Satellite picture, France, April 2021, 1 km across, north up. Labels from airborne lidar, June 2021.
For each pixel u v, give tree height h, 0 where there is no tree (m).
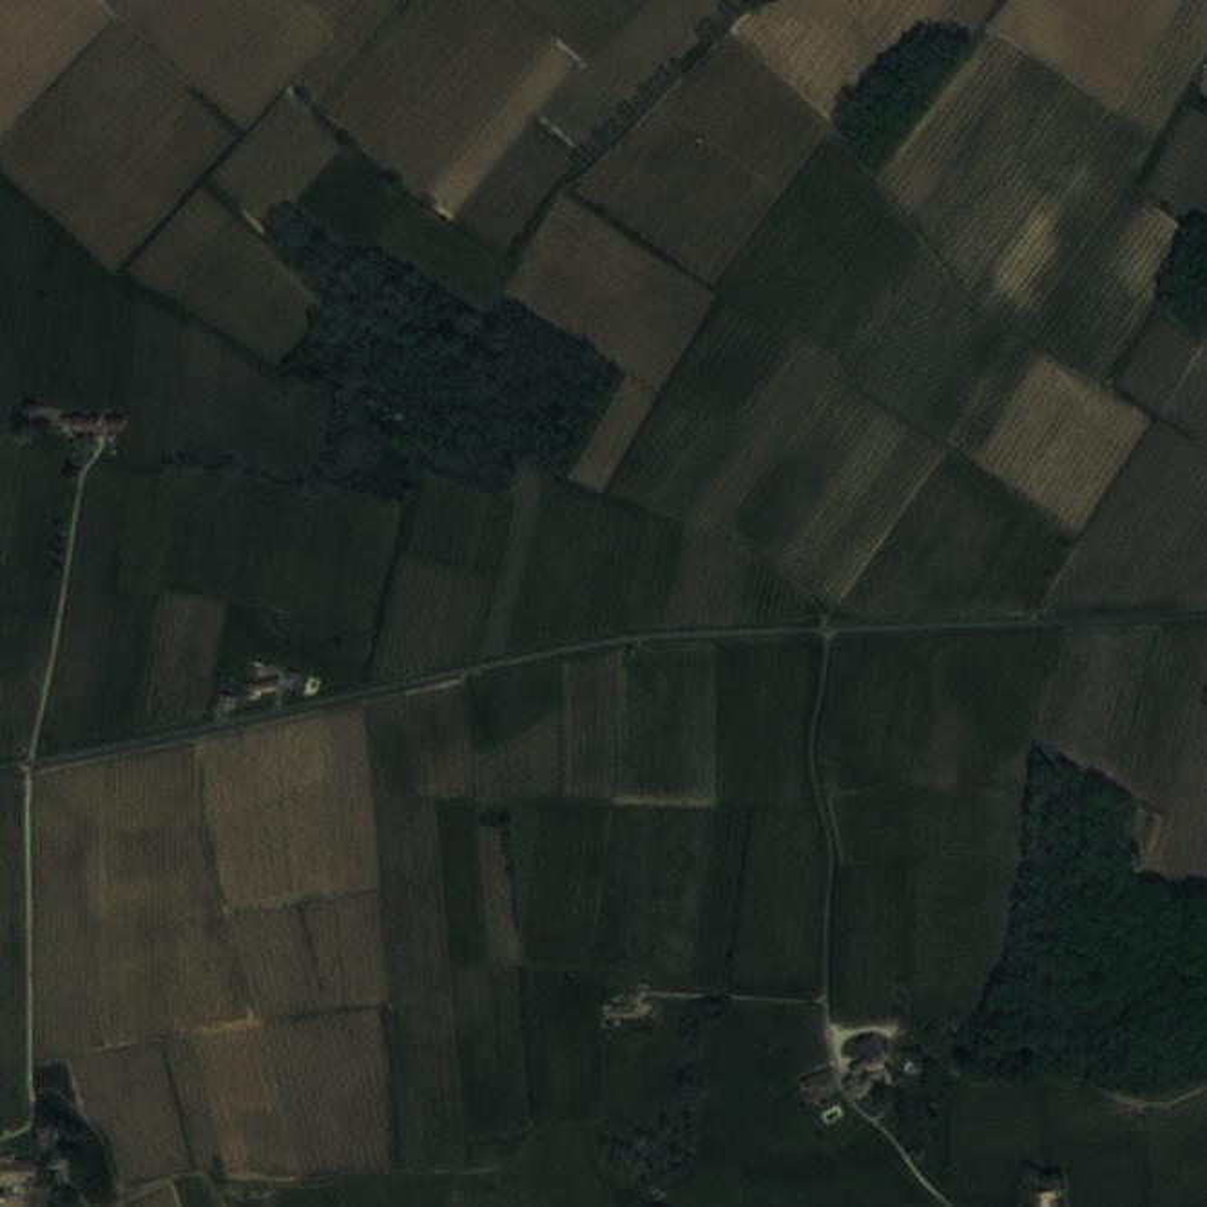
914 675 0
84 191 0
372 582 0
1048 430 0
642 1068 0
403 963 0
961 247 0
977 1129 0
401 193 11
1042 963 22
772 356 0
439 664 0
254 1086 0
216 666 0
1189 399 0
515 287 0
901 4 0
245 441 0
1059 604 0
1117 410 0
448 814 0
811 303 0
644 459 0
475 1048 0
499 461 25
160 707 0
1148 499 0
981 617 0
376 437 11
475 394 25
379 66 0
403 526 0
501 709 0
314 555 0
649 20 0
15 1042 0
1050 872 13
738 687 0
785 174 0
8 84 0
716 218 0
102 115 0
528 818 0
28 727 0
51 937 0
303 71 0
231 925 0
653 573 0
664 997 0
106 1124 0
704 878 0
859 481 0
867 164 14
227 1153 0
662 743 0
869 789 0
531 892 0
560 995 0
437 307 7
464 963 0
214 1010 0
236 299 0
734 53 0
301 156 0
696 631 0
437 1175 0
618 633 0
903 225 0
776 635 0
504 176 0
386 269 7
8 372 0
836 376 0
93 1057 0
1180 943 22
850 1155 0
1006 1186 0
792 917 0
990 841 0
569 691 0
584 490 0
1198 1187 0
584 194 0
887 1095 17
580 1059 0
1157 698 0
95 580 0
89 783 0
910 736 0
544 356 17
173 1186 0
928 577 0
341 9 0
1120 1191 0
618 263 0
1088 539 0
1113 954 25
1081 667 0
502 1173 0
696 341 0
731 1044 0
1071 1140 0
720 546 0
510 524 0
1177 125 0
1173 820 0
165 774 0
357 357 18
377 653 0
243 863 0
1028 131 0
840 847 0
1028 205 0
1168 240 0
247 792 0
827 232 0
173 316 0
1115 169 0
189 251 0
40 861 0
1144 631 0
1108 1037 19
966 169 0
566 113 0
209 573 0
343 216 0
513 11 0
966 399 0
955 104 0
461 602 0
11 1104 0
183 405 0
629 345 0
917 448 0
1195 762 0
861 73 0
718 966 0
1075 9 0
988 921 0
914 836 0
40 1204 0
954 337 0
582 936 0
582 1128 0
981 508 0
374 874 0
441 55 0
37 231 0
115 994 0
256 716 0
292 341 0
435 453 20
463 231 0
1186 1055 18
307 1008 0
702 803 0
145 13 0
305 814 0
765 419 0
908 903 0
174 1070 0
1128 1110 0
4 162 0
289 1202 0
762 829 0
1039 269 0
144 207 0
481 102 0
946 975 0
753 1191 0
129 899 0
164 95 0
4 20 0
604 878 0
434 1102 0
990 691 0
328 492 11
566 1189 0
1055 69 0
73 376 0
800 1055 0
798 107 0
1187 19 0
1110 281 0
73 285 0
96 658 0
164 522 0
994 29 0
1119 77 0
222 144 0
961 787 0
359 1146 0
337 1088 0
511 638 0
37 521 0
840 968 0
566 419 19
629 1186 0
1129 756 0
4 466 0
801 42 0
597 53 0
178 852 0
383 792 0
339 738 0
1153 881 15
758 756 0
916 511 0
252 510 0
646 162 0
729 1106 0
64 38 0
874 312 0
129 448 0
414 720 0
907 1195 0
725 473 0
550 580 0
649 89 10
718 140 0
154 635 0
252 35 0
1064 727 0
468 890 0
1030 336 0
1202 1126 0
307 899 0
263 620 0
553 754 0
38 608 0
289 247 16
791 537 0
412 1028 0
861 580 0
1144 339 0
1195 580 0
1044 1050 21
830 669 0
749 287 0
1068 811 20
